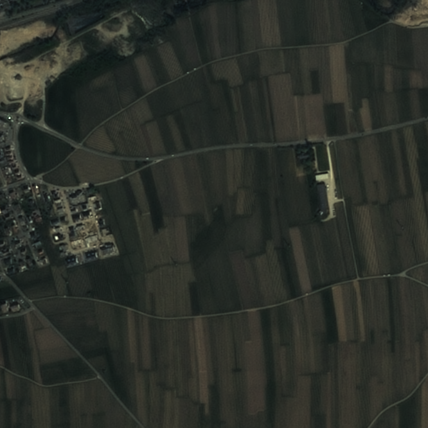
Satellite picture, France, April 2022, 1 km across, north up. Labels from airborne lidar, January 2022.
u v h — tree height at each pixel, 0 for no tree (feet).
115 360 0
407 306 0
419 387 0
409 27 0
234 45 0
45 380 0
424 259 0
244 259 0
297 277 0
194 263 0
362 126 0
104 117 0
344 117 0
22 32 0
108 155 0
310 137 0
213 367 0
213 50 0
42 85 0
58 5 0
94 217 0
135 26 0
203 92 0
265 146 0
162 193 0
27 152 0
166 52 0
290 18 0
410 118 0
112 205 0
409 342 0
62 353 0
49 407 0
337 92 0
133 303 0
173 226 0
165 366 0
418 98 0
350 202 0
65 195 0
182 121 0
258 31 0
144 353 0
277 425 0
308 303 0
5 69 0
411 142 0
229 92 0
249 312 0
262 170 0
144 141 0
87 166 0
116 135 0
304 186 0
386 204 0
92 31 0
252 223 0
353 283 0
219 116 0
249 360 0
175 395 0
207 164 0
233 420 0
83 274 0
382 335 0
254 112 0
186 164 0
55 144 0
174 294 0
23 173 0
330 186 0
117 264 0
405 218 0
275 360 0
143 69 0
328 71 0
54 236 0
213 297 0
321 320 0
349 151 0
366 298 0
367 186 0
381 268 0
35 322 0
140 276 0
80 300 0
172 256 0
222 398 0
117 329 0
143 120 0
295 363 0
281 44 0
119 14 0
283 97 0
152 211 0
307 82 0
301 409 0
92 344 0
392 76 0
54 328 0
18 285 0
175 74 0
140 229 0
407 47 0
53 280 0
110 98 0
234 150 0
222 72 0
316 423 0
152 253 0
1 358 0
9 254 27
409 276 0
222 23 0
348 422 0
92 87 0
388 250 0
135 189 0
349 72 0
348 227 0
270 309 0
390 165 0
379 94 0
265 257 0
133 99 0
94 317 0
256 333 0
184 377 0
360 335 0
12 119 0
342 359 0
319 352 0
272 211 0
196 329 0
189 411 0
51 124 0
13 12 40
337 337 0
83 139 0
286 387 0
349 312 0
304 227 0
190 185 0
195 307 0
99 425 0
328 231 0
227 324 0
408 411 0
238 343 0
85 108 0
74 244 0
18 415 0
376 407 0
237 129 0
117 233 0
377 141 0
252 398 0
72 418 0
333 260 0
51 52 0
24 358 0
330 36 0
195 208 0
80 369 0
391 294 0
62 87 0
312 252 0
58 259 0
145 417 0
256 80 0
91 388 0
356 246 0
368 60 0
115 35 0
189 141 0
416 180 0
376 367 0
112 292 0
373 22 0
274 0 0
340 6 0
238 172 0
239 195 0
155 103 0
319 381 0
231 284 0
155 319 0
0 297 0
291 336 0
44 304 0
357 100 0
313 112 0
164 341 0
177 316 0
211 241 0
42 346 0
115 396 0
